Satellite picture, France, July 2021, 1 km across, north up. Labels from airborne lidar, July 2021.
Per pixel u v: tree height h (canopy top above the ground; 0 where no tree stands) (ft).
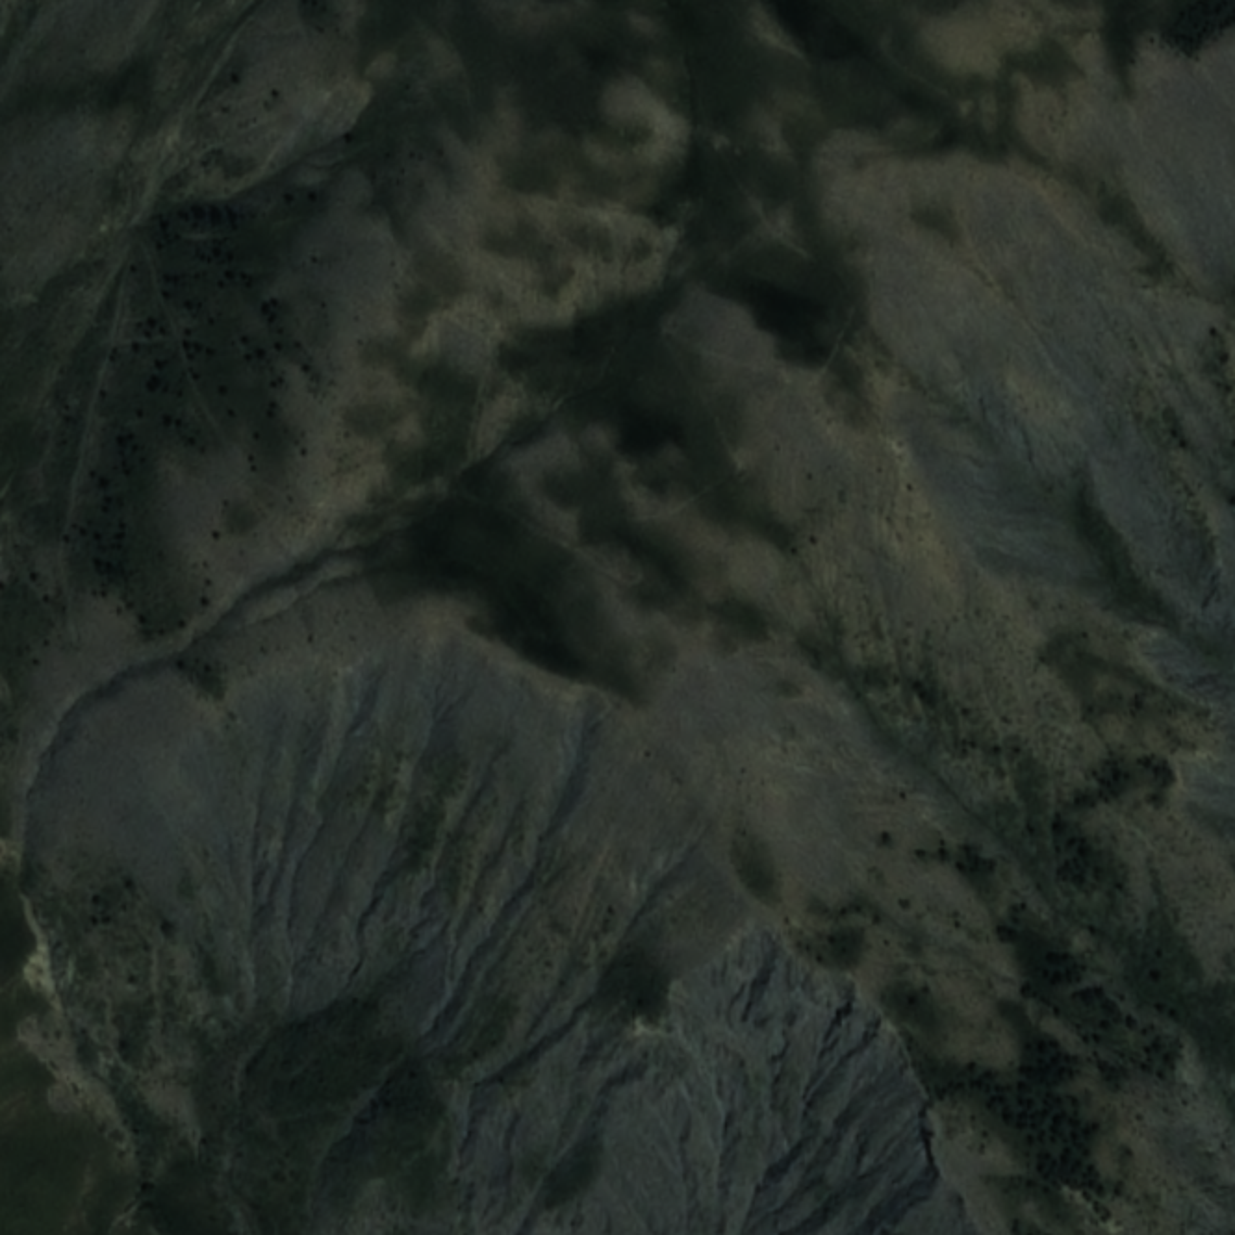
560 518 0
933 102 0
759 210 0
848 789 0
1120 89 0
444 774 0
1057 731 0
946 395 0
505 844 0
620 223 0
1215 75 0
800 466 0
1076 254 0
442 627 0
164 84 0
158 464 0
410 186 0
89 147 0
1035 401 0
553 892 0
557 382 0
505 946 0
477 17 0
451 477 0
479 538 0
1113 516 0
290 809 0
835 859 0
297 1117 0
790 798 0
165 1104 0
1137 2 0
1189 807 0
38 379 0
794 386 0
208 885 0
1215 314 0
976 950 0
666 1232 0
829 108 0
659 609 0
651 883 0
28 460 0
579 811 0
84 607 0
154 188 0
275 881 0
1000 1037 0
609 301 0
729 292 0
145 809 0
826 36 0
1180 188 0
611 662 0
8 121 0
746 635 0
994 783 0
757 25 0
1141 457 0
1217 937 0
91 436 0
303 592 0
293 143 0
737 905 0
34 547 0
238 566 0
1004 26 0
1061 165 0
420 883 0
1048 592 0
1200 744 0
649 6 0
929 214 0
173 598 0
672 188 0
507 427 0
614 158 0
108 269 0
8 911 0
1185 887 0
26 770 0
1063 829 40
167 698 0
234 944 0
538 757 0
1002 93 0
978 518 0
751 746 0
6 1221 0
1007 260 0
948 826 0
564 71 0
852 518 0
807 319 0
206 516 0
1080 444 0
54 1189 0
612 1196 0
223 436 0
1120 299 0
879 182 0
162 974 0
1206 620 0
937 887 0
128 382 0
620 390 0
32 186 0
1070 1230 0
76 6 0
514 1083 0
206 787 0
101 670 0
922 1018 0
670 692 0
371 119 0
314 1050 0
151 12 0
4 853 0
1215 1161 0
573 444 0
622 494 0
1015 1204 0
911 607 0
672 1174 0
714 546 0
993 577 0
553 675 0
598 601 0
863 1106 0
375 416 0
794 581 0
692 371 0
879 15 0
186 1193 0
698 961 0
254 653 0
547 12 0
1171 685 0
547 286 0
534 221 0
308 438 0
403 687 0
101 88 0
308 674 0
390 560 0
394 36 0
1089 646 0
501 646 0
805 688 0
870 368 0
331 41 0
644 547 0
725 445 0
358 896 0
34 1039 0
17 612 0
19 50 0
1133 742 0
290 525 0
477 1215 0
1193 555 0
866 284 0
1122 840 0
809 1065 0
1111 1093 0
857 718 0
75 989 0
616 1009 0
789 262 0
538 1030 0
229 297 0
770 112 0
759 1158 0
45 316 0
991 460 0
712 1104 0
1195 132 0
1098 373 0
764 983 0
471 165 0
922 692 29
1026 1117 39
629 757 0
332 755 0
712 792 0
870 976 0
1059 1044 32
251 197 0
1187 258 0
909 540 0
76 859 0
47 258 0
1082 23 0
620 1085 0
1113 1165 0
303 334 0
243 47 0
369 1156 0
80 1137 0
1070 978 51
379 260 0
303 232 0
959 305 0
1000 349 0
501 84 0
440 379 0
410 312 0
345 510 0
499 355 0
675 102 0
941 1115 0
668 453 0
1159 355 0
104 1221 0
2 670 0
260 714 0
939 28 0
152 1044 0
